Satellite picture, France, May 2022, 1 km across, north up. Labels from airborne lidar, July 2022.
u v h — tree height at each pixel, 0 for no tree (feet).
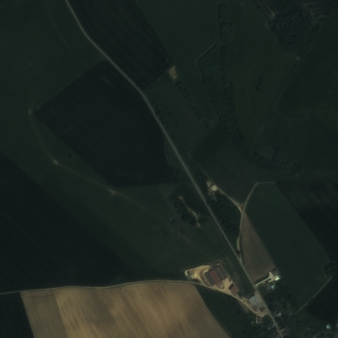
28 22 0
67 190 0
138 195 0
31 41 0
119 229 0
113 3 0
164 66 0
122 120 0
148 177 0
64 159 0
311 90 0
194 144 0
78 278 0
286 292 0
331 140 0
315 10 0
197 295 0
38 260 0
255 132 0
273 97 0
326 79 0
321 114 0
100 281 0
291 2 29
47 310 0
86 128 0
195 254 0
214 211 41
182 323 0
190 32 0
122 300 0
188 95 18
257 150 0
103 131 0
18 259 0
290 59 0
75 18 0
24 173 0
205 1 0
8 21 0
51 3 0
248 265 0
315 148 0
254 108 0
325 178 0
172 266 0
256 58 0
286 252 0
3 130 0
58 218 0
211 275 0
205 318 0
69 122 0
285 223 0
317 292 0
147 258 0
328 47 0
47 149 0
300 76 0
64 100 0
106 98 0
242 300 0
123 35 0
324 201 0
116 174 0
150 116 0
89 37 0
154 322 0
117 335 0
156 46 0
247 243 0
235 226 22
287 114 0
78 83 0
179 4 0
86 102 0
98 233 0
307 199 0
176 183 0
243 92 0
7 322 0
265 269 0
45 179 0
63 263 0
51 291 0
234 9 0
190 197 0
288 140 0
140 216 0
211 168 0
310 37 66
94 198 0
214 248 0
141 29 0
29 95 0
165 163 0
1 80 0
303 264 0
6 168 0
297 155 0
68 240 0
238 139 62
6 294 0
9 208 0
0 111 0
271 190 0
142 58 0
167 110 20
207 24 0
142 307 0
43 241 0
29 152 0
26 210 0
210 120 0
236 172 0
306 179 0
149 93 0
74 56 0
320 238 0
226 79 48
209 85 59
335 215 0
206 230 0
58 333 0
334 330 28
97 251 0
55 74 0
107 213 0
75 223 0
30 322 0
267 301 0
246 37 0
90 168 0
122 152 0
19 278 0
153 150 0
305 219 0
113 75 0
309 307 0
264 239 0
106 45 0
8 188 0
